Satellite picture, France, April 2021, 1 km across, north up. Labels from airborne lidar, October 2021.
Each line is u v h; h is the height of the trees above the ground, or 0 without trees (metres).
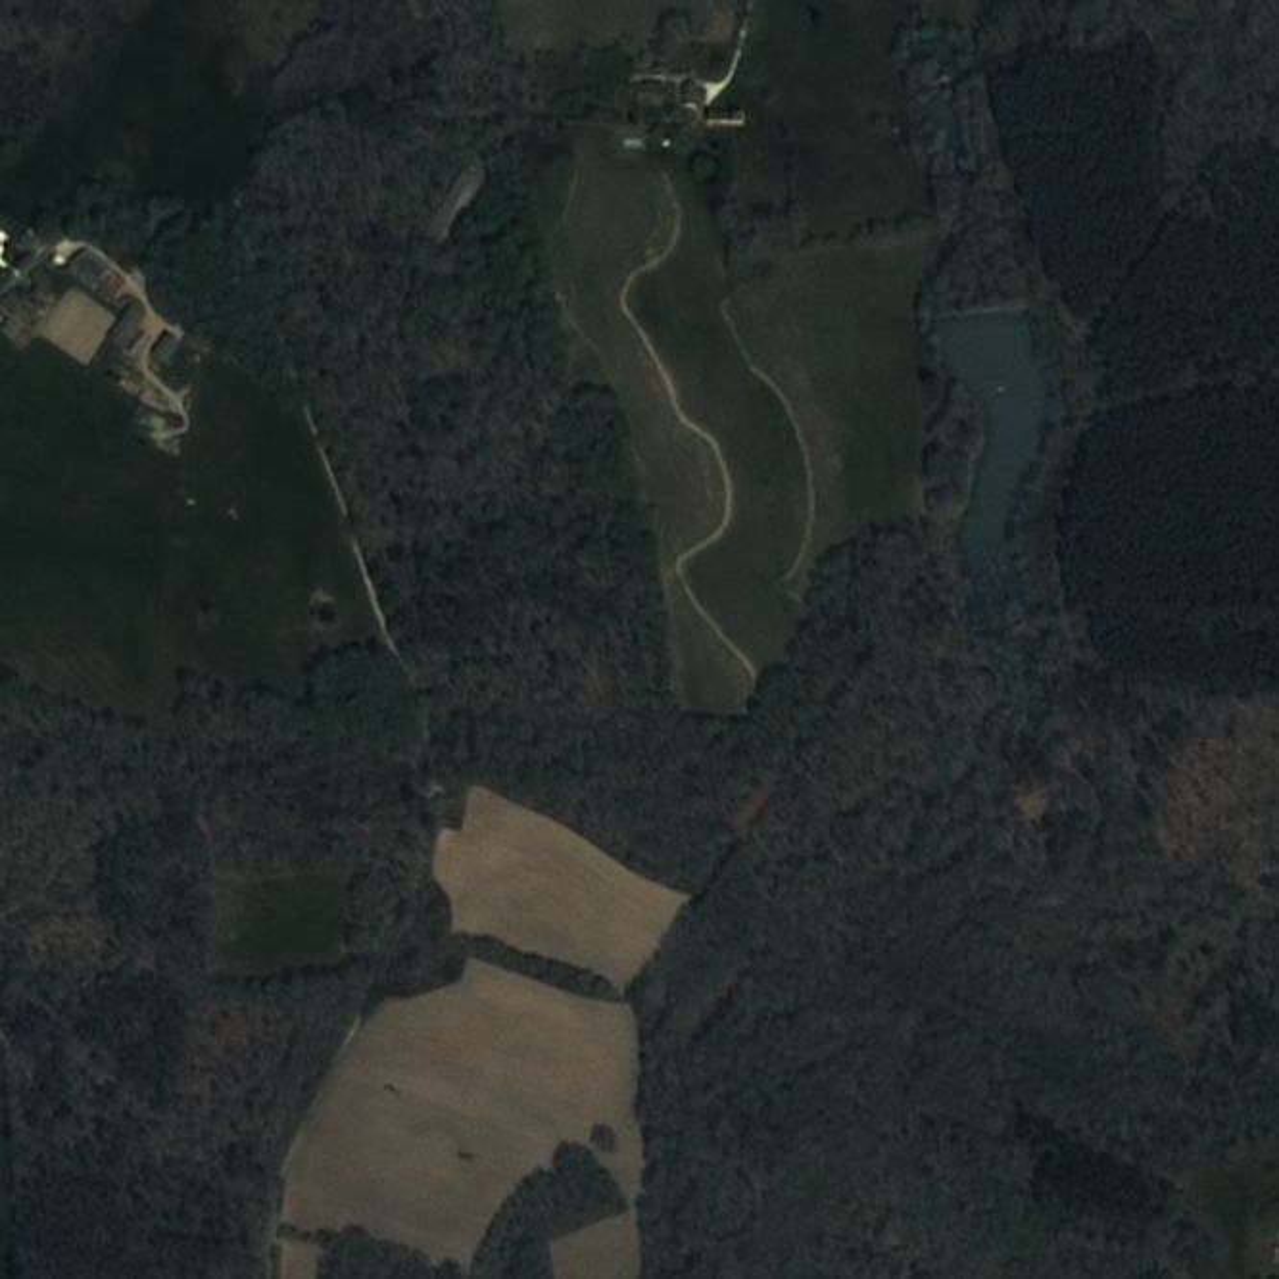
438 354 24
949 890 18
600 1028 0
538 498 18
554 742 13
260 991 9
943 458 18
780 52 0
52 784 6
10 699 23
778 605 0
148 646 0
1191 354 19
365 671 23
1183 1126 19
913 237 11
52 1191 21
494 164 19
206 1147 11
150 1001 16
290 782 6
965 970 26
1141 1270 20
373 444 15
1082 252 20
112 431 0
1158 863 21
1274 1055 21
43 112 6
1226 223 15
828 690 22
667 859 23
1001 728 12
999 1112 10
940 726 18
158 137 0
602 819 20
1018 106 19
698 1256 16
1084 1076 17
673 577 0
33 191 0
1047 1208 20
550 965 8
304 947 0
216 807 12
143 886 20
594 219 0
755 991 20
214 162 0
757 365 0
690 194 0
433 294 22
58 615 0
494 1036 0
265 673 0
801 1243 16
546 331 22
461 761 19
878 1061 20
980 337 0
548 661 12
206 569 0
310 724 21
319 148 14
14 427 0
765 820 14
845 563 20
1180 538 19
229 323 16
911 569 20
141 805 18
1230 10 15
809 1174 18
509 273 24
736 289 0
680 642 0
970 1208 17
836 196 0
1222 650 20
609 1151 18
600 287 0
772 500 0
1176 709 19
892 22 0
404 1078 0
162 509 0
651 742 18
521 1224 18
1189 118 16
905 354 0
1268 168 17
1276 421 19
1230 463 20
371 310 16
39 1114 22
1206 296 20
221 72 0
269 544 0
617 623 24
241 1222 14
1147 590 16
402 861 10
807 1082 21
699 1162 21
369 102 13
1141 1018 13
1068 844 22
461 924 0
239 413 0
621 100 6
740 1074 24
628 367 0
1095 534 22
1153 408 10
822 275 0
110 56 0
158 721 0
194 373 0
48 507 0
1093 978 15
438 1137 0
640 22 0
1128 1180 11
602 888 0
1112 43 19
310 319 18
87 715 18
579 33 0
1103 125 18
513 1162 0
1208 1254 18
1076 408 8
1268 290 21
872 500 0
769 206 0
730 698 0
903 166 0
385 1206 0
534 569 21
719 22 0
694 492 0
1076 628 11
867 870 19
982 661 21
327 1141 0
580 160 0
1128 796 14
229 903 0
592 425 20
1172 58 13
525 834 0
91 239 16
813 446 0
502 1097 0
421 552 14
